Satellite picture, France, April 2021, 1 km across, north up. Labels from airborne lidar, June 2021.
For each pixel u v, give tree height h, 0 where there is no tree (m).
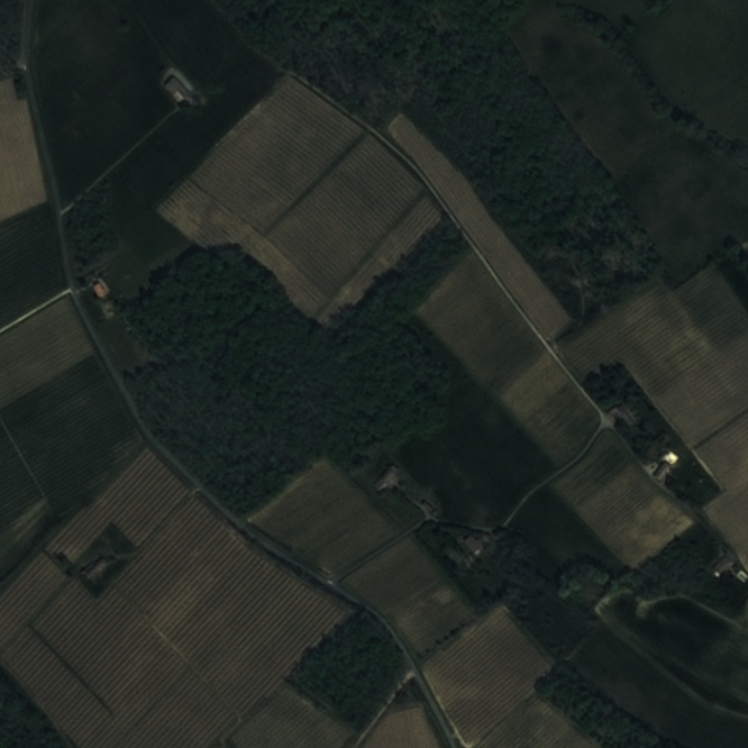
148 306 18
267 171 0
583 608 10
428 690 0
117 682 0
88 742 0
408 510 0
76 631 0
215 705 0
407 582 0
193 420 15
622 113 0
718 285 0
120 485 0
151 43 0
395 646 19
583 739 0
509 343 0
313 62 15
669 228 0
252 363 26
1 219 0
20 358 0
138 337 12
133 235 0
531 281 0
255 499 23
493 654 0
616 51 17
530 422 0
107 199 8
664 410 0
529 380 0
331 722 0
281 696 0
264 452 18
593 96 0
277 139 0
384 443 16
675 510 0
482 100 21
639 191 0
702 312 0
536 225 21
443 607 0
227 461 19
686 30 0
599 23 21
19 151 0
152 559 0
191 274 20
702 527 0
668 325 0
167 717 0
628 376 7
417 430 11
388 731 0
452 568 7
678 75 0
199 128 0
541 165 24
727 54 0
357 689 19
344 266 0
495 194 24
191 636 0
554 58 0
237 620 0
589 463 0
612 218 26
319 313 0
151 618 0
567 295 12
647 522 0
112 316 0
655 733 23
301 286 0
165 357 15
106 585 0
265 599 0
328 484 0
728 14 0
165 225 0
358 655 24
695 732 0
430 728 0
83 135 0
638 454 12
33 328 0
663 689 0
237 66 0
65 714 0
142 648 0
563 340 7
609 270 23
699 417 0
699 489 0
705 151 0
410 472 0
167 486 0
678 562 8
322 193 0
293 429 24
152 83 0
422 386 16
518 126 18
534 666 0
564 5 21
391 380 28
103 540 0
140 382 13
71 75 0
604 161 0
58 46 0
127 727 0
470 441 0
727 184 0
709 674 0
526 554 21
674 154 0
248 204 0
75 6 0
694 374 0
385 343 28
